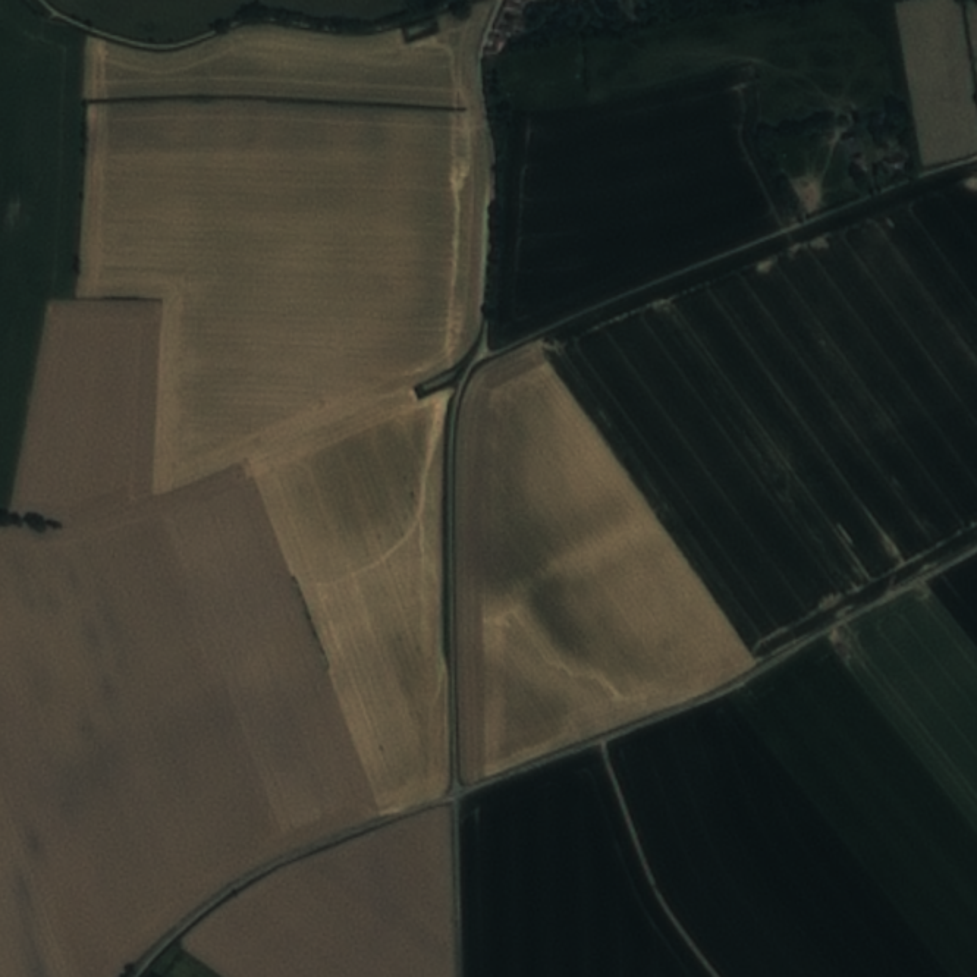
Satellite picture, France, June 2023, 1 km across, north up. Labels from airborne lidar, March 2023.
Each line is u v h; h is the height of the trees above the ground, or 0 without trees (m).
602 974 0
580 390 0
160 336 0
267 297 0
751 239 0
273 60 0
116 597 0
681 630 0
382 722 0
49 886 0
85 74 0
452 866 0
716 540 0
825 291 0
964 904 0
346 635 0
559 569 0
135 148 0
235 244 0
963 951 0
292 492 0
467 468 0
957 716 0
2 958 0
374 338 0
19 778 0
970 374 0
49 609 0
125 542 0
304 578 0
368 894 0
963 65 0
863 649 0
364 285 0
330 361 0
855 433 0
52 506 0
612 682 0
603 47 0
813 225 0
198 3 0
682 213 0
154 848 0
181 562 0
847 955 0
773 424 0
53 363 0
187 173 0
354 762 0
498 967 0
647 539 0
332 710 0
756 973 0
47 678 0
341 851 0
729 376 0
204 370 0
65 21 0
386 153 0
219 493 0
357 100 0
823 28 0
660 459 0
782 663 0
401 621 0
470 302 0
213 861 0
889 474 0
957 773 0
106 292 0
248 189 0
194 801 0
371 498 0
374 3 0
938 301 0
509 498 0
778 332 0
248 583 0
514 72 0
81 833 0
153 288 0
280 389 0
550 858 0
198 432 0
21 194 0
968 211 0
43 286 0
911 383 0
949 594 0
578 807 0
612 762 0
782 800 0
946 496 0
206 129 0
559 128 0
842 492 0
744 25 0
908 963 0
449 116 0
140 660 0
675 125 0
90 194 0
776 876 0
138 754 0
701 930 0
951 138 0
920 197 0
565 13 17
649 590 0
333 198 0
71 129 0
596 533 0
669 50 0
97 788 0
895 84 0
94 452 0
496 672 0
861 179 23
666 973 0
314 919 0
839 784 0
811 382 0
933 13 0
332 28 13
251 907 0
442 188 0
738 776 0
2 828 0
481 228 0
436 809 0
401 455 0
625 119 0
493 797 0
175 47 0
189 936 0
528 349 0
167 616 0
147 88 0
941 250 0
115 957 0
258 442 0
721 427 0
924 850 0
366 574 0
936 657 0
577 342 0
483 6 0
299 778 0
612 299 0
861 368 0
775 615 0
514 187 0
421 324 0
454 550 0
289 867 0
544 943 0
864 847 0
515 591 0
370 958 0
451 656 0
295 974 0
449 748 0
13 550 0
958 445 0
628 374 0
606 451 0
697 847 0
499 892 0
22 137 0
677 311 0
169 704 0
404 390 0
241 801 0
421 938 0
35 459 0
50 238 0
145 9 0
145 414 0
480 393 0
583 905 0
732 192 0
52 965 0
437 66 0
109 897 0
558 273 0
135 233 0
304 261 0
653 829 0
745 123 0
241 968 0
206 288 0
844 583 0
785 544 0
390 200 0
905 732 0
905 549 0
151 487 0
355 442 0
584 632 0
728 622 0
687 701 0
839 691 0
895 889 0
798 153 0
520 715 0
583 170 0
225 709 0
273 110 0
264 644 0
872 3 0
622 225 0
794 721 0
